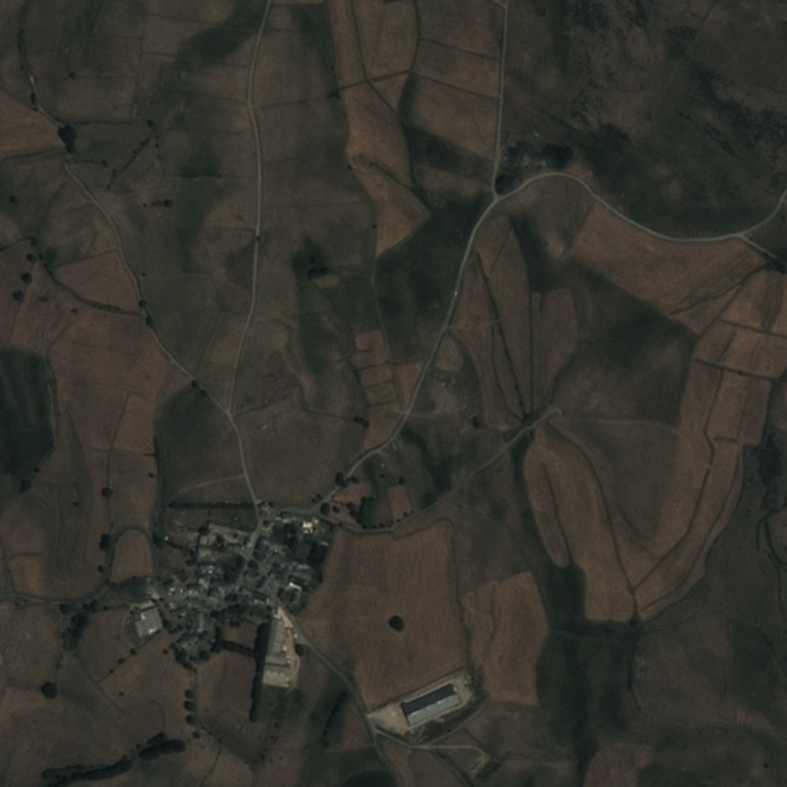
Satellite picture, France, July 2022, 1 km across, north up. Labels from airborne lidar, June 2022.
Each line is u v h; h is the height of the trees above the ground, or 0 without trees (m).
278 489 0
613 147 0
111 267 0
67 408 0
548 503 0
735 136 0
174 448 0
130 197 0
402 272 0
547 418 0
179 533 0
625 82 0
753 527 0
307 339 0
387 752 0
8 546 0
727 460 0
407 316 0
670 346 0
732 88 0
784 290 0
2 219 0
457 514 0
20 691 0
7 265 0
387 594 0
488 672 0
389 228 0
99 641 0
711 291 0
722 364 0
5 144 0
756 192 0
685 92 0
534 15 0
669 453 0
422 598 0
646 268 0
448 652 0
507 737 0
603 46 0
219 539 9
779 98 0
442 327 0
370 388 0
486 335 0
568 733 0
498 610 0
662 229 0
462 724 0
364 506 8
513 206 0
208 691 0
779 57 0
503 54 0
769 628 0
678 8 0
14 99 0
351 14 0
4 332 0
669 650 0
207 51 0
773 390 0
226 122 0
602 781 0
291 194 0
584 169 0
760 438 0
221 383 0
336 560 0
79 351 0
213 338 0
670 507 0
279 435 0
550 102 0
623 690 0
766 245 0
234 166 0
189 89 0
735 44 0
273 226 0
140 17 0
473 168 0
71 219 0
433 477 0
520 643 0
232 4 0
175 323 0
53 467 0
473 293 0
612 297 0
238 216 0
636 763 0
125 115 0
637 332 0
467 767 0
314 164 0
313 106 0
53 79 0
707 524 0
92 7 0
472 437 0
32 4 0
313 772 0
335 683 0
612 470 0
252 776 0
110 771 15
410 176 0
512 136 0
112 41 0
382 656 0
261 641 13
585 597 0
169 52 0
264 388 0
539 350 0
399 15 0
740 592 0
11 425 0
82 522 0
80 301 0
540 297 0
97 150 0
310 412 0
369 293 0
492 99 0
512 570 0
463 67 0
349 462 0
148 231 0
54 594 0
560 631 0
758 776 0
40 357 0
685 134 0
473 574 0
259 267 0
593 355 0
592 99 0
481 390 0
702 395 0
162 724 0
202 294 0
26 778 0
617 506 0
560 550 0
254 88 0
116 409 0
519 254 0
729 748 0
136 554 0
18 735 0
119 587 0
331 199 0
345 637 0
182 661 10
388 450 0
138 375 0
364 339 0
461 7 0
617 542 0
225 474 0
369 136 0
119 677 0
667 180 0
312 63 0
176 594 0
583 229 0
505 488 0
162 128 0
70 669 0
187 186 0
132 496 0
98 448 0
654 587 0
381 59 0
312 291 0
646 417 0
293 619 0
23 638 0
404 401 0
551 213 0
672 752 0
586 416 0
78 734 0
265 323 0
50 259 0
